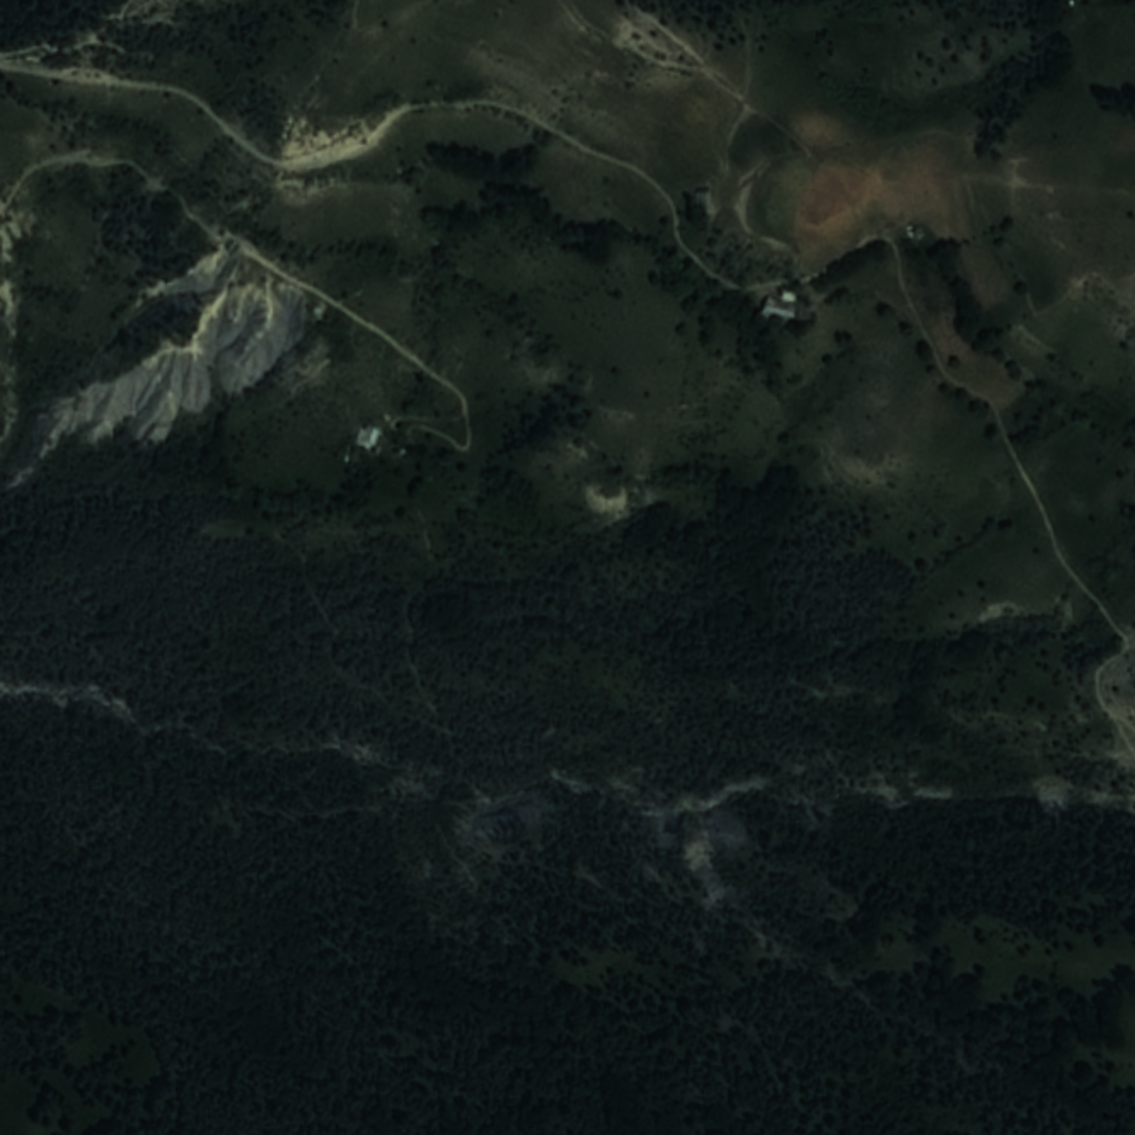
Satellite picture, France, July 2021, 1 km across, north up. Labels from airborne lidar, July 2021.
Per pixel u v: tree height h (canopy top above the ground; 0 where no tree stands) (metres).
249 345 0
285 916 19
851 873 11
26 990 0
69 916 21
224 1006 16
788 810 6
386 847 13
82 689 6
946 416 0
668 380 0
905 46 0
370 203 0
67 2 14
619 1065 21
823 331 0
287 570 7
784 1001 21
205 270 0
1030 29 9
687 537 15
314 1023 22
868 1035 17
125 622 11
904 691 8
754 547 22
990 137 15
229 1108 22
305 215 0
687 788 9
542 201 18
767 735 8
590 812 17
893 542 0
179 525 10
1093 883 20
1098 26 0
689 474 14
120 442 8
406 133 0
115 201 6
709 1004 18
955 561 10
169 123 0
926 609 0
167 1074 17
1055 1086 24
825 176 0
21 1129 0
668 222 8
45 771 14
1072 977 0
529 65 0
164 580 9
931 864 10
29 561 14
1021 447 12
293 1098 14
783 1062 20
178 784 14
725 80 0
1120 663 0
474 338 0
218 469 16
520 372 0
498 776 8
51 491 6
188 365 0
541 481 0
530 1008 24
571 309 0
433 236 7
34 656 8
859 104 8
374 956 19
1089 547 0
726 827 0
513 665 10
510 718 10
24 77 0
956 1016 19
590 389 0
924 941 19
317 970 20
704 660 16
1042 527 0
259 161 0
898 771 8
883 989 18
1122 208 0
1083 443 0
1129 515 14
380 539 8
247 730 12
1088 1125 8
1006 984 0
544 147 6
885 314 15
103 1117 0
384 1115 29
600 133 0
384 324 0
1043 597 0
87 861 14
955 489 0
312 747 8
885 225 0
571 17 0
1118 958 0
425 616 17
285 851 11
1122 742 0
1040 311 0
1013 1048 19
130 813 17
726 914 9
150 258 12
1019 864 24
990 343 12
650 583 6
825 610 12
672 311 0
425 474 9
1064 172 0
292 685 9
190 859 17
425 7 0
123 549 14
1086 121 0
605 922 22
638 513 8
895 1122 7
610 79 0
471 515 9
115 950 15
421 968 23
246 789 12
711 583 13
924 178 0
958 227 0
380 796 8
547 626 16
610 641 12
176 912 13
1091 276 0
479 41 0
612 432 0
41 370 8
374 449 6
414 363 0
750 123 0
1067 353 0
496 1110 24
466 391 0
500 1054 20
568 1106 29
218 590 10
